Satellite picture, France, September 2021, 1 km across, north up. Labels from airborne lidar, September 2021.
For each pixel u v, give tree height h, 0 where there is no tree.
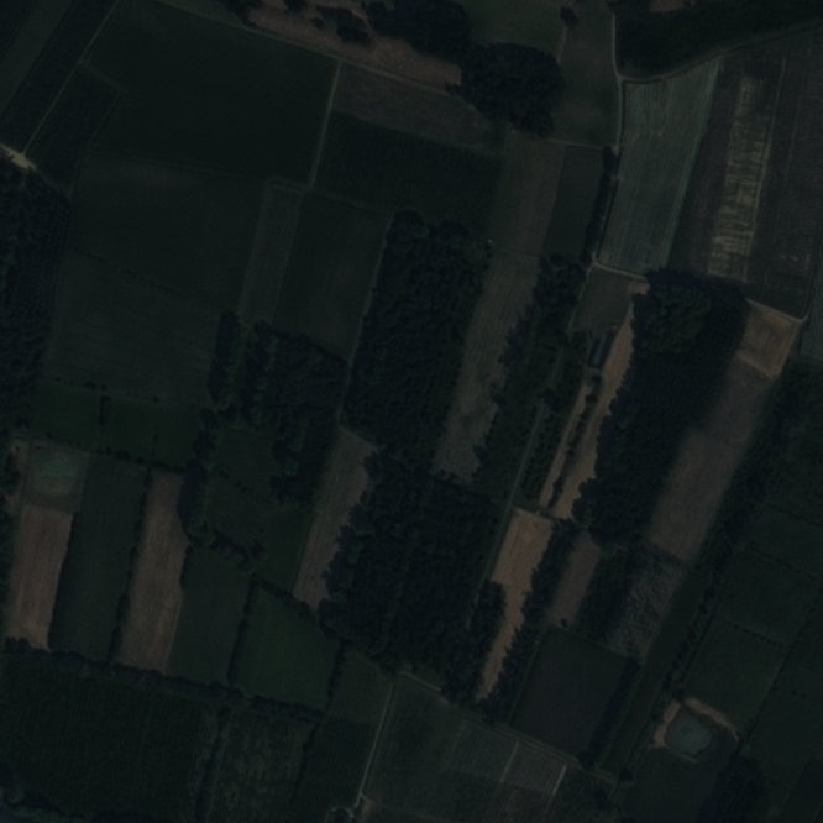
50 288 18
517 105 19
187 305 0
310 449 19
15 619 0
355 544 24
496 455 0
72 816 6
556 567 18
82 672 14
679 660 16
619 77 0
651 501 17
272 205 0
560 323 15
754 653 0
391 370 18
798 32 0
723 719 0
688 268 0
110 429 0
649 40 6
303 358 22
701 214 0
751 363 0
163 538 0
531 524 0
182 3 0
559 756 0
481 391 0
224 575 0
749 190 0
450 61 17
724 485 0
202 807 10
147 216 0
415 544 17
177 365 0
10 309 17
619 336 0
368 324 8
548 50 0
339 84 0
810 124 0
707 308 20
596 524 14
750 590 0
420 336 20
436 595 18
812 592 0
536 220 0
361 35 7
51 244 23
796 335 0
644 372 24
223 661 0
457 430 0
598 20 0
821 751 0
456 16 21
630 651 19
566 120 0
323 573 0
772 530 0
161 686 11
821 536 0
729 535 16
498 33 0
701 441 0
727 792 27
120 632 8
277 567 0
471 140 0
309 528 0
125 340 0
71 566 8
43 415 0
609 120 0
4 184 11
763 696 0
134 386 0
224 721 7
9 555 26
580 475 0
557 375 0
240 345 25
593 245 12
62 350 0
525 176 0
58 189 0
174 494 0
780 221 0
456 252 14
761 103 0
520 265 0
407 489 15
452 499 14
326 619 22
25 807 24
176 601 0
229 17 0
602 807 23
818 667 0
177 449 0
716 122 0
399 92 0
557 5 0
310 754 7
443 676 0
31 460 0
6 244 16
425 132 0
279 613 0
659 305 24
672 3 0
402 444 18
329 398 18
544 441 6
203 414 0
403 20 26
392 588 25
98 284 0
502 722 12
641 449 20
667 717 0
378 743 0
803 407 21
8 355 21
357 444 0
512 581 0
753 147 0
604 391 0
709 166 0
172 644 0
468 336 0
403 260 15
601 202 12
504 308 0
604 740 20
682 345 26
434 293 20
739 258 0
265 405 20
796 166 0
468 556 17
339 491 0
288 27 0
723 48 0
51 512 0
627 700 16
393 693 0
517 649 17
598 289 0
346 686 0
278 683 0
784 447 29
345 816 12
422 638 23
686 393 22
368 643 24
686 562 0
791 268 0
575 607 0
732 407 0
